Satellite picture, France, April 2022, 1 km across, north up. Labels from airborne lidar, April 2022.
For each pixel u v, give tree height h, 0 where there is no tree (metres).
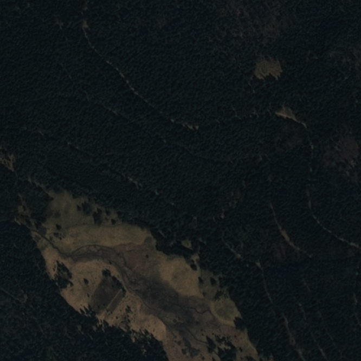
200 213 19
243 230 34
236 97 10
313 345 24
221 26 17
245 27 20
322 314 19
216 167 27
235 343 0
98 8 18
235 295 15
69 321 36
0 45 19
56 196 0
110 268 0
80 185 23
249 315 15
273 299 16
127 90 27
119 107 26
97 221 31
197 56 20
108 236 0
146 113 33
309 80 18
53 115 28
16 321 13
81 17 33
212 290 0
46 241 0
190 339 0
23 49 29
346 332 21
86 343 38
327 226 21
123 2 27
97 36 24
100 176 8
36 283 24
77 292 0
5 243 14
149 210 20
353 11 9
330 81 8
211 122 13
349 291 14
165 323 0
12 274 20
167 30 25
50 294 26
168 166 24
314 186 16
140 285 0
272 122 27
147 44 27
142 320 0
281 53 19
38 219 19
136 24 29
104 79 26
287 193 23
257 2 33
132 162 29
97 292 0
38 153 21
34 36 27
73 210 0
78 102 28
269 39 17
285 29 10
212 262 22
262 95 21
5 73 26
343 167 21
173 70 22
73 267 0
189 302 0
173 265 0
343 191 16
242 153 28
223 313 0
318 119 24
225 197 12
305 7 7
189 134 27
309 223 23
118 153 28
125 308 0
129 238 0
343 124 14
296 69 15
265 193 26
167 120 19
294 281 22
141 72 19
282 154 17
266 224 18
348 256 15
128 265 0
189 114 24
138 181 15
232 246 11
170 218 22
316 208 17
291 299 27
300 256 17
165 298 0
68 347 27
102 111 27
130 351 30
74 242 0
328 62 22
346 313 22
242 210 13
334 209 24
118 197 9
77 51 25
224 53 30
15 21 19
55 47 26
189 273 0
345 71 8
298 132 14
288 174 16
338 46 18
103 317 0
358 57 8
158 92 20
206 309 0
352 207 28
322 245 17
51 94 27
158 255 0
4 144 17
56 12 32
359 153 10
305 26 9
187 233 23
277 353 16
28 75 22
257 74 0
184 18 32
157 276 0
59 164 8
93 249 0
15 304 13
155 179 33
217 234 23
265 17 26
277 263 21
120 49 26
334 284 14
